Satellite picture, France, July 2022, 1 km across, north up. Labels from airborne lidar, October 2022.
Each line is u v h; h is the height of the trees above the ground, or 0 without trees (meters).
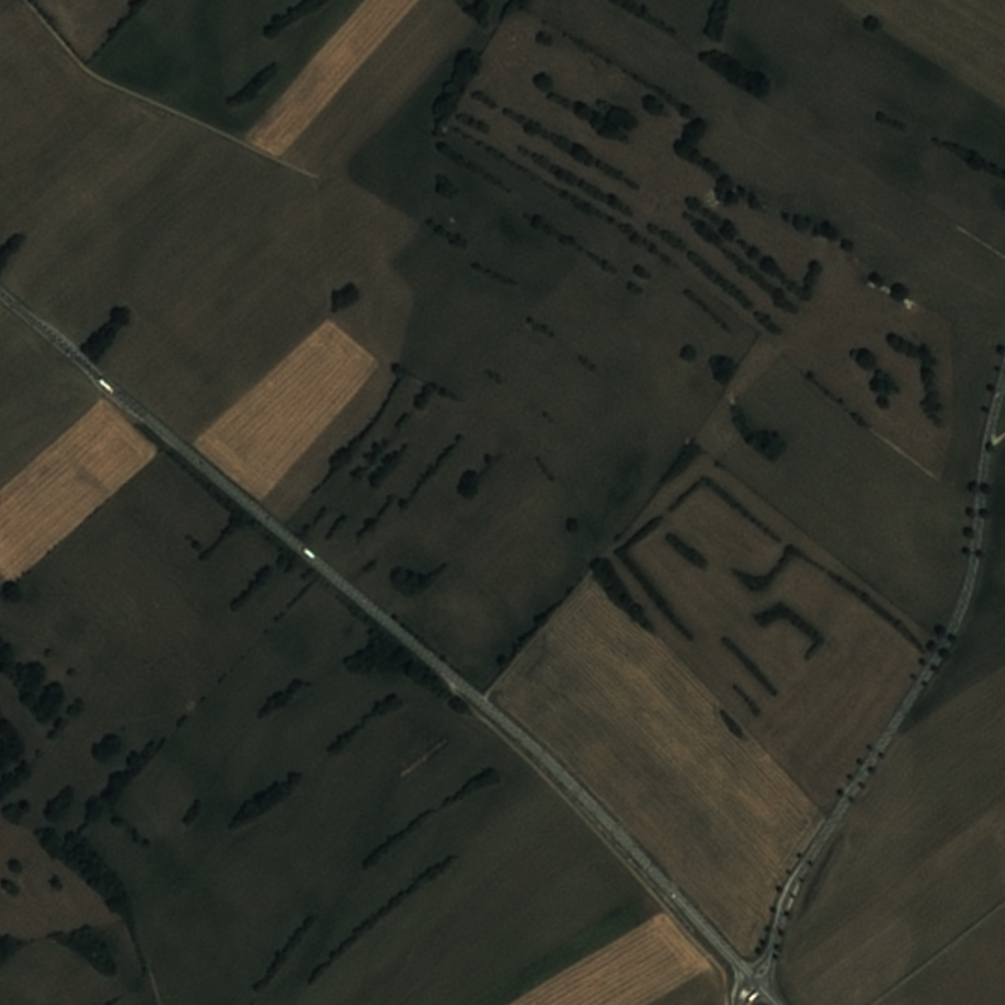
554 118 0
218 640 0
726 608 0
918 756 0
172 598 0
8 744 14
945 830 0
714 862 0
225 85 0
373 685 0
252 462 0
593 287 0
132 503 0
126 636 0
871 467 0
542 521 0
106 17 0
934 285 0
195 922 0
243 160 0
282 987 0
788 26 0
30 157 0
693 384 0
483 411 0
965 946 0
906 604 0
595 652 0
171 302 0
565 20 0
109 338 12
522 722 0
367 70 0
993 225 0
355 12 0
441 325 0
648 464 0
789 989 0
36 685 14
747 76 8
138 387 0
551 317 0
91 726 0
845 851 0
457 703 12
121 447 0
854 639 0
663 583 0
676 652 0
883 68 0
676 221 0
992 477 0
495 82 0
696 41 0
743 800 0
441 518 0
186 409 0
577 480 0
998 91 0
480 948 0
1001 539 0
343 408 0
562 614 0
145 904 0
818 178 0
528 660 0
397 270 0
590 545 0
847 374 0
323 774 0
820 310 0
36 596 0
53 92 0
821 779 0
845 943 0
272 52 0
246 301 0
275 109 0
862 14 0
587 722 0
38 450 0
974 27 0
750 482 0
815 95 0
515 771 0
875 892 0
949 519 0
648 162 0
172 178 0
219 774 0
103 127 0
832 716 0
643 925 0
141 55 0
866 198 0
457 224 0
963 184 0
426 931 0
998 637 0
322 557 0
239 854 0
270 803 14
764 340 0
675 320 0
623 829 0
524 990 0
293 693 13
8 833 0
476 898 0
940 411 7
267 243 0
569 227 0
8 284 0
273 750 0
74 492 0
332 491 0
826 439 0
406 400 0
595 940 0
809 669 0
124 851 0
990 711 0
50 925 0
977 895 0
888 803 0
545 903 0
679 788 0
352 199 0
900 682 0
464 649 0
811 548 0
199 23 0
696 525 0
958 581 0
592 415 0
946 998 0
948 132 0
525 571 0
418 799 0
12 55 0
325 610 0
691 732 0
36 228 0
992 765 0
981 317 0
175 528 0
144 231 0
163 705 0
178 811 0
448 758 0
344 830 0
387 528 0
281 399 0
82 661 0
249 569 0
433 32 0
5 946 13
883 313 0
